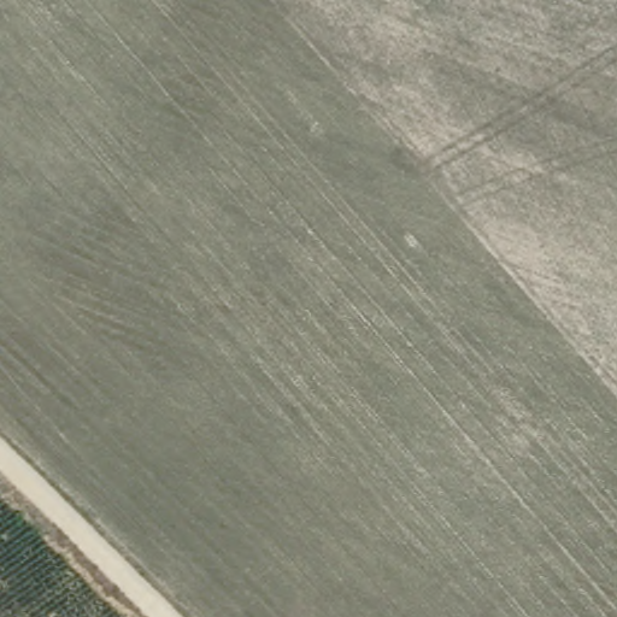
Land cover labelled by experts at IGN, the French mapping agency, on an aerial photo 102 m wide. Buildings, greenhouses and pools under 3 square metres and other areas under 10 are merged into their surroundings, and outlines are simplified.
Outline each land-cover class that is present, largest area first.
<instances>
[{"label":"agricultural land","instance_id":"1","mask_svg":"<svg viewBox=\"0 0 617 617\"><path fill-rule=\"evenodd\" d=\"M0 439L39 477H43L48 487L72 511H77L92 525V530L111 550H116L181 617H617V0H0Z\"/></svg>","mask_w":617,"mask_h":617},{"label":"vineyard","instance_id":"2","mask_svg":"<svg viewBox=\"0 0 617 617\"><path fill-rule=\"evenodd\" d=\"M0 617H147L113 581L106 578V574L53 521H48L14 484H10L0 475Z\"/></svg>","mask_w":617,"mask_h":617},{"label":"pervious surface","instance_id":"3","mask_svg":"<svg viewBox=\"0 0 617 617\"><path fill-rule=\"evenodd\" d=\"M0 475L10 484H14L48 521H53L106 574V578L113 581L147 617H181L116 550H111L92 530V525L77 511H72L48 487L43 477H39L0 439Z\"/></svg>","mask_w":617,"mask_h":617}]
</instances>
